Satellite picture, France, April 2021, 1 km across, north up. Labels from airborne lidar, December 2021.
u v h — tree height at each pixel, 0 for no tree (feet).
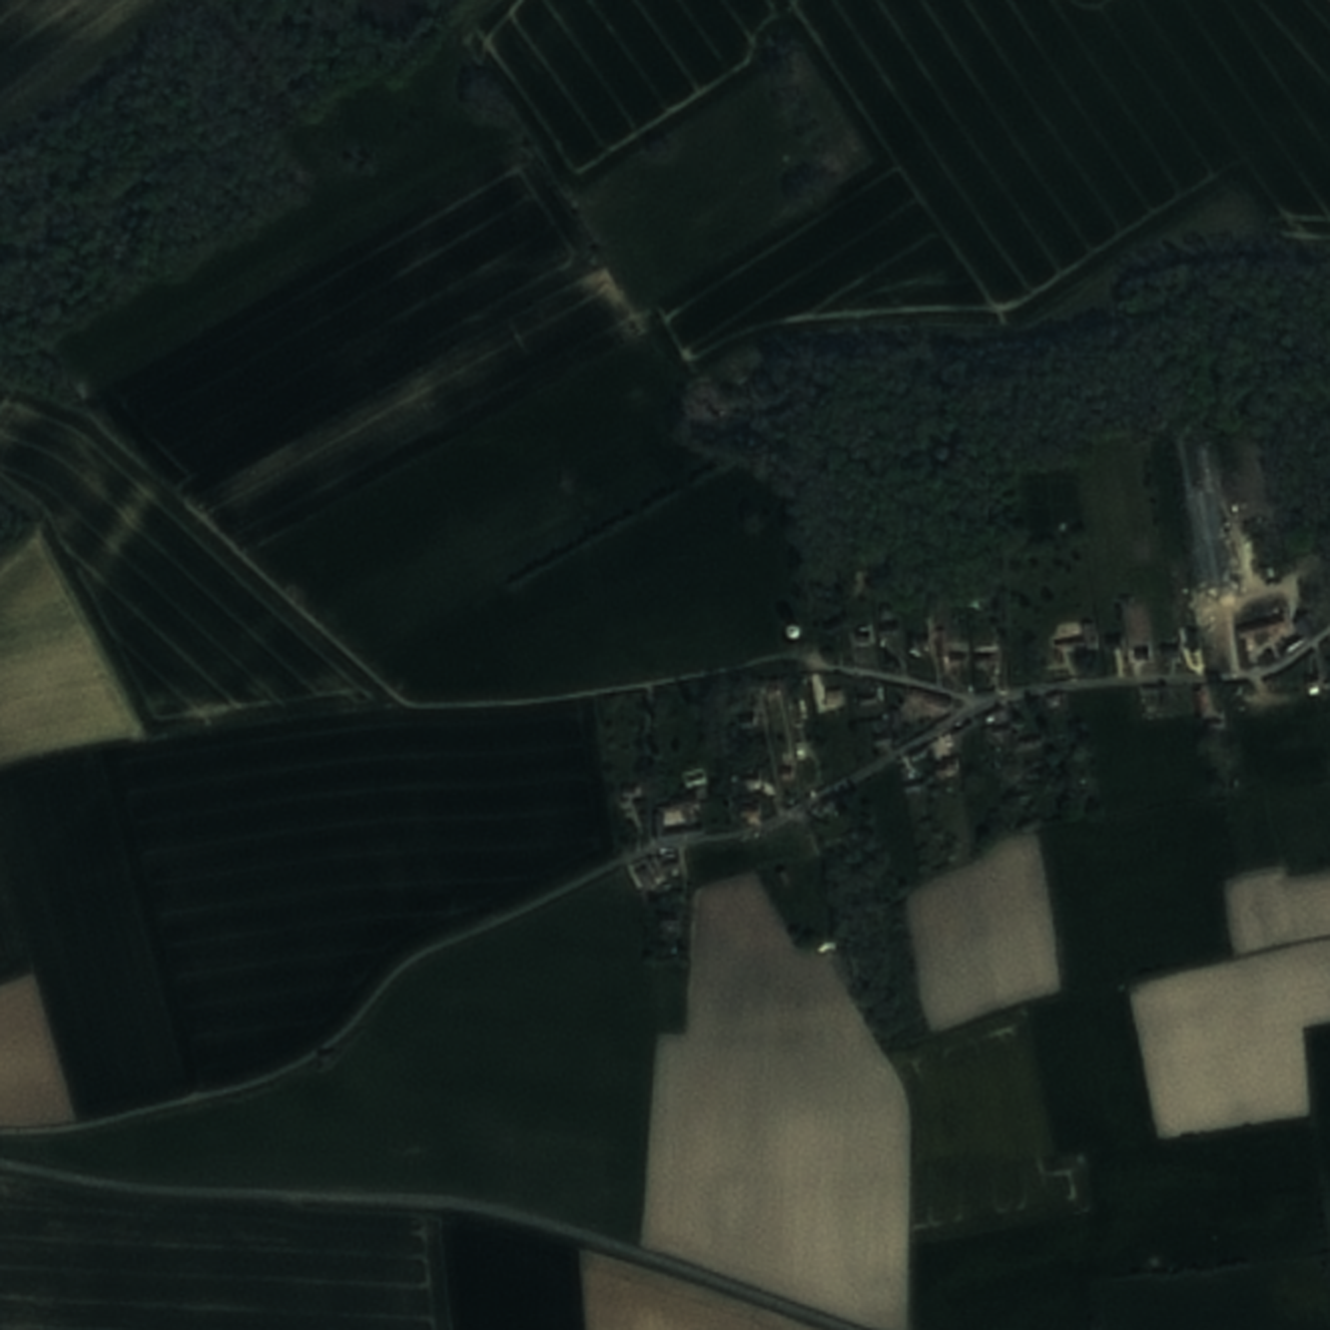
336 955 0
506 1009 0
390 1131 0
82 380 0
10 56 0
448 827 0
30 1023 0
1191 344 93
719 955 0
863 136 0
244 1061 0
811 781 0
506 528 0
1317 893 0
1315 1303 0
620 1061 0
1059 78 0
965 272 0
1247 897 0
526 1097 0
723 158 0
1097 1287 0
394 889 0
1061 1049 0
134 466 0
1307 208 0
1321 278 95
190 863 0
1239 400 103
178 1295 0
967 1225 0
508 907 0
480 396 0
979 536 80
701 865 0
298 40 50
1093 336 64
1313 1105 0
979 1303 0
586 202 0
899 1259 0
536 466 0
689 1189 0
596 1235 0
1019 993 0
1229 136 0
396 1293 0
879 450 91
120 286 77
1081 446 68
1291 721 0
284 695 0
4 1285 0
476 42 0
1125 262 0
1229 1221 0
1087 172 0
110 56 0
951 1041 0
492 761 0
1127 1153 0
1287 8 0
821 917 0
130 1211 0
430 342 0
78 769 0
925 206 0
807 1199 0
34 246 58
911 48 0
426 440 0
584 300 0
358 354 0
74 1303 0
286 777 0
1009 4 0
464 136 0
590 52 0
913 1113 0
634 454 0
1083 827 0
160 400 0
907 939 45
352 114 0
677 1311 0
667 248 0
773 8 0
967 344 31
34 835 0
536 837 0
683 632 0
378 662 0
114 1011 0
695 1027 0
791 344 0
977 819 0
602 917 0
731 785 21
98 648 0
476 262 0
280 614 0
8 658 0
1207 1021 0
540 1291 0
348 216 0
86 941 0
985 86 0
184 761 0
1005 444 93
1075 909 0
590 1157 0
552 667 0
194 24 74
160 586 0
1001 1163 0
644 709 30
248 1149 0
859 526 85
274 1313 0
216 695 0
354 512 0
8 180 68
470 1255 0
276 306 0
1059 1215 0
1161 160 0
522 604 0
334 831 0
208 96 93
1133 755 0
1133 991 0
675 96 0
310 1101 0
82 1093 0
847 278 0
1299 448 87
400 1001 0
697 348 0
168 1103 0
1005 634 33
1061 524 0
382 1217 0
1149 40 0
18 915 0
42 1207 0
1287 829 0
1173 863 0
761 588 0
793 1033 0
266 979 0
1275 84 0
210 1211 0
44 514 0
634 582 0
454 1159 0
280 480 0
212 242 85
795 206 73
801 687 52
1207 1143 0
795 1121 0
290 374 0
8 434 0
